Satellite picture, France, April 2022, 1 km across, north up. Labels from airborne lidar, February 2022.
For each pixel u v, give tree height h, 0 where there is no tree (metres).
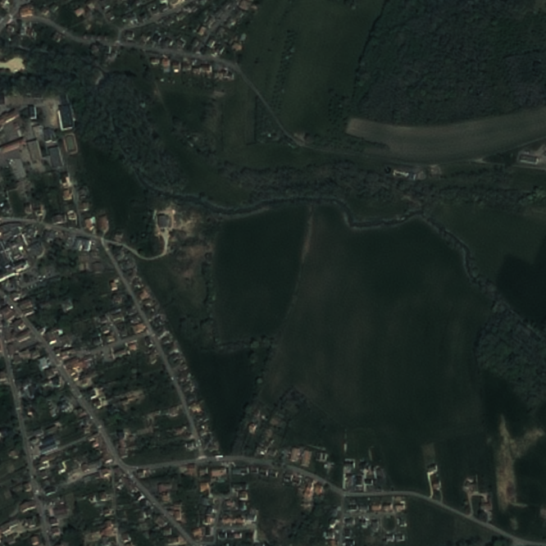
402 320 0
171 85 0
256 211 0
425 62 11
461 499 0
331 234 0
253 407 10
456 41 14
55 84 23
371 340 0
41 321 13
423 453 0
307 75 0
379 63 8
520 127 0
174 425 0
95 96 18
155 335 0
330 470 0
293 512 0
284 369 0
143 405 0
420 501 0
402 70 7
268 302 0
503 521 0
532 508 0
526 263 0
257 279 0
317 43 0
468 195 17
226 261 0
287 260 0
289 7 0
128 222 0
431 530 0
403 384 0
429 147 0
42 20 0
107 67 0
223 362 0
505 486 0
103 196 0
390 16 6
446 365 0
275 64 0
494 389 0
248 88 0
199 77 0
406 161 0
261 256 0
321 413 0
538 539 0
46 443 0
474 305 0
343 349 0
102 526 6
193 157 0
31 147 0
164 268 0
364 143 6
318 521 0
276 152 0
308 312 0
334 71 0
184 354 0
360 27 0
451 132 0
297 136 0
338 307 0
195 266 0
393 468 0
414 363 0
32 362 9
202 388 0
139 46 0
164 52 0
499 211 0
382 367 0
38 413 17
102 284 0
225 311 0
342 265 0
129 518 0
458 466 0
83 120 26
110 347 0
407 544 0
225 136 0
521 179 0
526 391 25
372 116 16
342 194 20
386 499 0
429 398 0
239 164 0
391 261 0
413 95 19
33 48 10
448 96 23
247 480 0
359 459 0
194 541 0
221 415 0
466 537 0
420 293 0
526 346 32
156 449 5
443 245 0
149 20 0
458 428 0
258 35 0
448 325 0
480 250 0
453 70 20
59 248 13
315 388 0
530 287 0
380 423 0
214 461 0
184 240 0
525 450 0
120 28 0
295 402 12
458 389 0
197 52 0
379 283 0
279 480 0
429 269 0
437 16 22
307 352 0
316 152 0
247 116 0
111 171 0
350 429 0
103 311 7
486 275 0
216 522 0
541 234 0
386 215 0
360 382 0
